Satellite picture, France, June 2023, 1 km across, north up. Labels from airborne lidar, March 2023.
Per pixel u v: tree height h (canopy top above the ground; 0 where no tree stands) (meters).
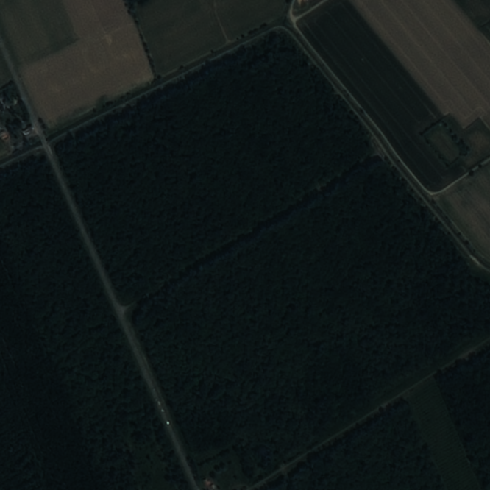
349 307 20
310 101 23
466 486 0
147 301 18
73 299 24
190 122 23
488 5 0
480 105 0
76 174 20
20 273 19
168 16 0
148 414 21
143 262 23
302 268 21
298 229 21
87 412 23
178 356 18
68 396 18
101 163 20
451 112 0
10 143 0
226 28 0
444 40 0
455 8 0
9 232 20
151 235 20
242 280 21
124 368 20
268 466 21
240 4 0
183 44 0
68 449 15
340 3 0
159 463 0
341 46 0
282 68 20
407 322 19
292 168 22
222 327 21
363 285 22
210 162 24
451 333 22
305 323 23
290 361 21
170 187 21
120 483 16
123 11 0
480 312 25
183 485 16
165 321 23
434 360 22
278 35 13
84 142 22
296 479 17
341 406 21
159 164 20
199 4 0
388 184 21
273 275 22
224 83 23
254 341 22
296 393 23
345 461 18
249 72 21
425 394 0
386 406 0
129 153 21
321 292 23
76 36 0
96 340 23
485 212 0
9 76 0
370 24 0
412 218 21
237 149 24
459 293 22
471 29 0
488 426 24
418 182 0
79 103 0
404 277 19
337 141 22
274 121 25
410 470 22
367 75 0
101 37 0
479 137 0
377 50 0
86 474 15
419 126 0
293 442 21
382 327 18
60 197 19
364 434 20
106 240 23
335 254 21
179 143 23
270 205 22
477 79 0
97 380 26
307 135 21
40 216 22
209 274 21
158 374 20
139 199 24
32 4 0
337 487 19
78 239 18
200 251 22
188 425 24
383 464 25
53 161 0
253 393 22
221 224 22
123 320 0
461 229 0
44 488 14
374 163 20
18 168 19
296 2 0
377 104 0
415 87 0
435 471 17
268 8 0
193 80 24
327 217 23
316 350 20
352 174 23
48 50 0
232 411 21
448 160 0
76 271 25
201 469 0
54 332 25
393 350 21
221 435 26
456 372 22
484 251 0
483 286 15
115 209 24
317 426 21
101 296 24
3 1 0
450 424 0
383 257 20
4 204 22
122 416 23
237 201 23
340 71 0
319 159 20
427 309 25
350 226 22
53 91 0
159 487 0
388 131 0
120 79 0
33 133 0
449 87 0
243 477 0
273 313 22
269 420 23
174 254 21
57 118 0
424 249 23
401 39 0
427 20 0
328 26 0
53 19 0
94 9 0
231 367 20
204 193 23
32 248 19
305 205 20
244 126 23
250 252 24
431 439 0
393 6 0
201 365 16
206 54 0
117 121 22
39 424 16
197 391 16
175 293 24
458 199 0
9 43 0
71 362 20
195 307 21
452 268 25
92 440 24
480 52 0
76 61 0
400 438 21
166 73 0
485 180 0
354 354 19
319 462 24
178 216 19
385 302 22
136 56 0
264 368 18
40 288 22
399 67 0
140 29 0
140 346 0
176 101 19
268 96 21
